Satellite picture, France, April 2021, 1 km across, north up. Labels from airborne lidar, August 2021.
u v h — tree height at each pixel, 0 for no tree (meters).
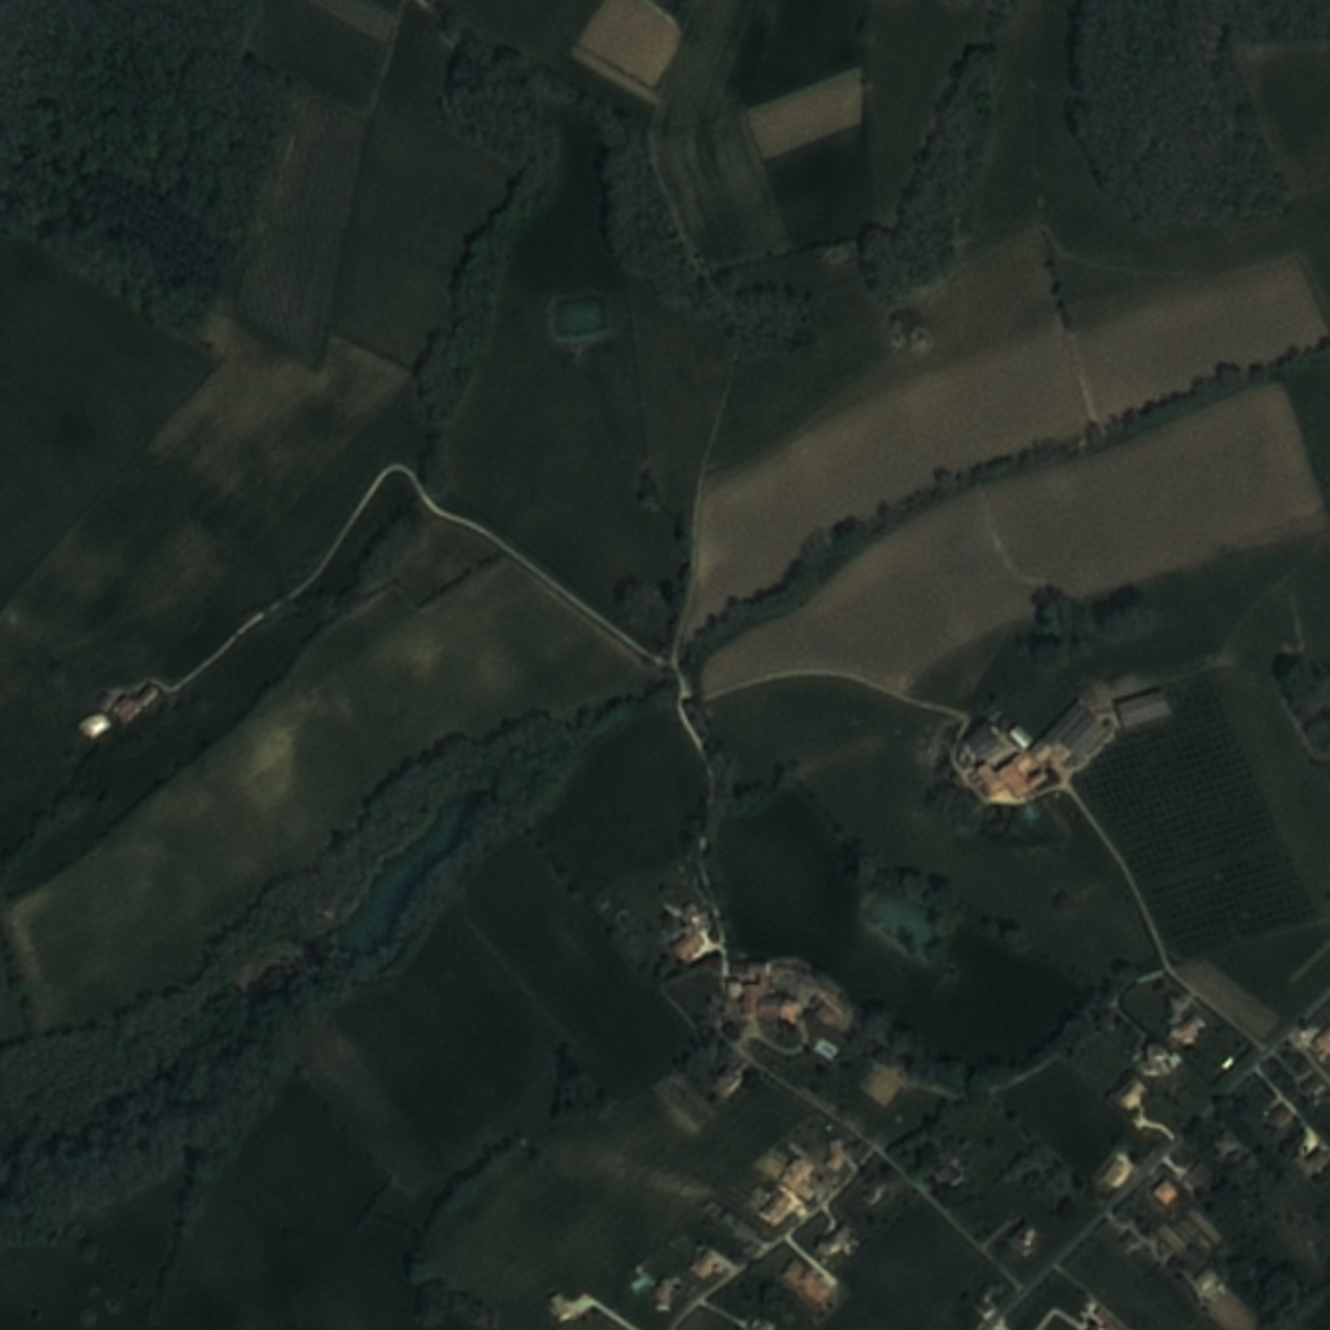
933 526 0
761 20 0
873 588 0
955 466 0
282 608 12
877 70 0
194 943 0
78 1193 21
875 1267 0
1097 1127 0
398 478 0
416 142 0
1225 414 0
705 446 0
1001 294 0
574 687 0
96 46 24
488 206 0
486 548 0
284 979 10
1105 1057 0
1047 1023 0
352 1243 0
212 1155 15
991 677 0
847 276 0
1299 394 0
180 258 19
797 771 11
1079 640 12
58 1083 22
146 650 0
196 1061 22
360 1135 0
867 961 0
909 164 0
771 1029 11
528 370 0
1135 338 0
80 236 25
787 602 14
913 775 0
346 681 0
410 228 0
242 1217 0
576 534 0
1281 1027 0
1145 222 15
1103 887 0
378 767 0
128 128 25
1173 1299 0
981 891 0
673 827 0
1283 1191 12
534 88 21
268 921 18
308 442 0
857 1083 0
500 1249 0
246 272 0
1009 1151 0
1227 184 19
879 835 0
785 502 0
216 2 23
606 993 0
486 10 0
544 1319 0
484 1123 0
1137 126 21
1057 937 0
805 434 0
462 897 0
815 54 0
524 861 0
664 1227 0
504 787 27
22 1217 23
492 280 21
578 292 0
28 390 0
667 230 21
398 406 0
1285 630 0
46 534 0
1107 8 21
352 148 0
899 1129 0
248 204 20
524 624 0
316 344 0
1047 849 0
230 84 23
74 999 0
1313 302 0
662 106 0
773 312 22
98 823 0
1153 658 0
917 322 0
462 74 13
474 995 0
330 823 0
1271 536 0
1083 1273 0
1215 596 0
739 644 0
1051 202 0
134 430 0
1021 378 0
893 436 0
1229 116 17
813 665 0
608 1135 0
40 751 0
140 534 0
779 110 0
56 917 0
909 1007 0
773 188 0
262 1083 20
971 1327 0
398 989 0
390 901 0
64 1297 0
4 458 0
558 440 0
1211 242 0
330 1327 0
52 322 0
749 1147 0
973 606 0
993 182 0
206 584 0
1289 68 0
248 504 0
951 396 0
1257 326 0
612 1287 0
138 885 0
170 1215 0
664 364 0
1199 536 0
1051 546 0
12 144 22
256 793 0
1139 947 0
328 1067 0
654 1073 0
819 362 0
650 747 0
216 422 0
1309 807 0
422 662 0
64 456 0
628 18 0
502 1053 0
